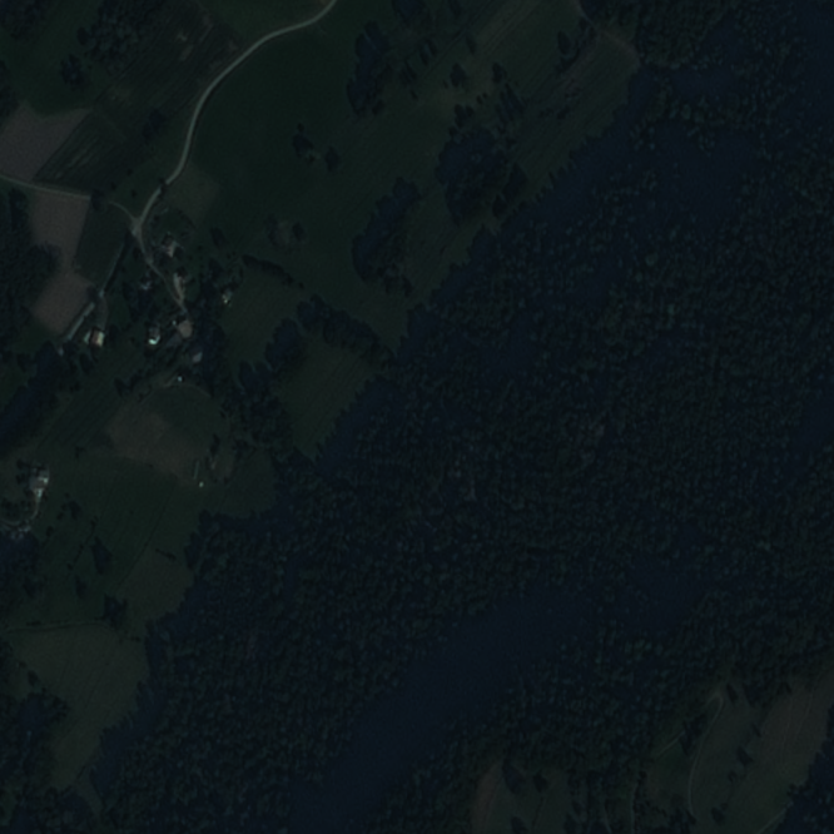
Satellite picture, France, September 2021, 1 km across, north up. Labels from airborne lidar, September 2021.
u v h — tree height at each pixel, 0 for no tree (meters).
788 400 31
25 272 29
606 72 0
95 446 0
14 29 18
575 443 28
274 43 0
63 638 0
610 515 32
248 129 0
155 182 0
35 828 13
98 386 0
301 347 24
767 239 24
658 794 0
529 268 24
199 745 25
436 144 0
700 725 18
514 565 28
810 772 0
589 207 19
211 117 0
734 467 23
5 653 10
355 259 0
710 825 0
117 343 7
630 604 16
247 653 27
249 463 0
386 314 0
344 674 33
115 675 0
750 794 0
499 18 0
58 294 0
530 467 8
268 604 29
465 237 0
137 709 0
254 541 15
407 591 29
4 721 20
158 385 0
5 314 30
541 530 30
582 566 28
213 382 29
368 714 26
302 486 29
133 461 0
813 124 17
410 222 13
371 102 14
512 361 18
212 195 0
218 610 24
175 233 0
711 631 29
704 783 0
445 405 19
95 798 0
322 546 28
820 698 0
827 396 32
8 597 29
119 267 8
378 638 29
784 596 33
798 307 33
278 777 28
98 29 9
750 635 29
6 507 6
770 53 29
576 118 0
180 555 0
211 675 24
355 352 25
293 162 0
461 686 28
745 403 34
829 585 31
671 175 17
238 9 0
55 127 0
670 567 28
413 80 17
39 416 20
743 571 32
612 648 29
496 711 32
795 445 26
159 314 17
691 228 22
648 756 20
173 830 35
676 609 23
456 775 29
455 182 17
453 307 24
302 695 30
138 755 9
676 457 27
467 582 31
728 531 28
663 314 19
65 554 0
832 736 7
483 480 30
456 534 16
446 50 0
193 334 7
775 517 29
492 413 23
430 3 0
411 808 35
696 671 29
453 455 27
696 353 27
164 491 0
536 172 0
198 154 0
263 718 30
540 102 0
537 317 31
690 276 34
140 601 0
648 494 27
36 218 0
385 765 24
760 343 34
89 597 8
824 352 32
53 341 0
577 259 28
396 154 0
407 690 33
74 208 0
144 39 14
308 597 33
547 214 0
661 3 31
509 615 29
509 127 14
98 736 0
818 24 24
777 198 21
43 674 0
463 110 0
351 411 0
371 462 23
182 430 0
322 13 0
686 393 30
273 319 0
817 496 24
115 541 0
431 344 30
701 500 26
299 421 0
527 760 25
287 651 34
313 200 0
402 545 30
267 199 0
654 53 22
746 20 27
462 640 15
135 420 0
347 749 34
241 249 0
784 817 0
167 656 33
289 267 0
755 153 32
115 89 0
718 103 22
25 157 0
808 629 27
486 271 25
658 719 24
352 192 0
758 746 0
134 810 22
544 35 0
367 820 34
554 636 25
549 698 36
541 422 26
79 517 16
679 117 26
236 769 28
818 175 27
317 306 6
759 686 16
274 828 36
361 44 0
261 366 0
